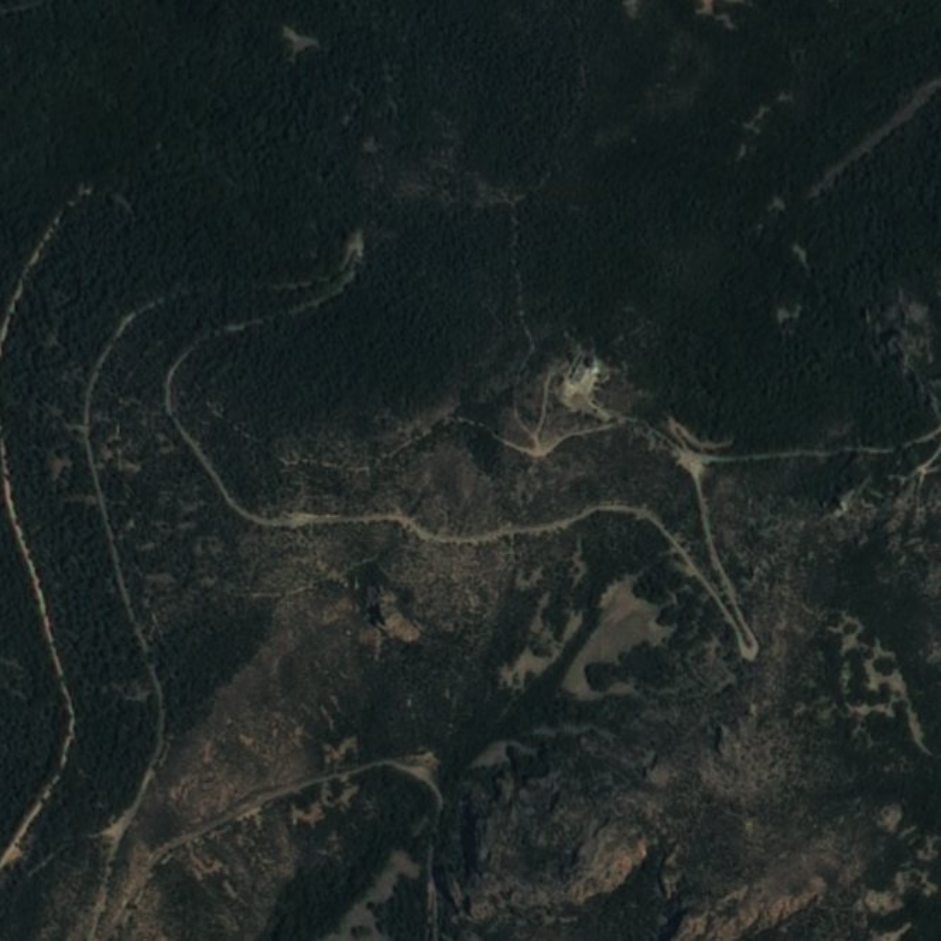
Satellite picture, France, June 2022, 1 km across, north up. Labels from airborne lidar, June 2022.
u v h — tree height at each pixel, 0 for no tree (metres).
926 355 7
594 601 11
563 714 8
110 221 14
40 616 10
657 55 6
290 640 0
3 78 11
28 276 9
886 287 12
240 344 12
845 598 6
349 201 6
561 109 13
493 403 7
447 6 8
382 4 10
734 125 8
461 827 6
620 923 10
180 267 18
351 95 5
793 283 15
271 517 6
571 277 10
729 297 13
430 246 13
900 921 11
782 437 7
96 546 13
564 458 0
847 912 7
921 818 5
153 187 17
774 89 9
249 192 16
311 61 10
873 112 10
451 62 10
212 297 17
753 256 10
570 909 8
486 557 0
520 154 12
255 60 14
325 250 8
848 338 9
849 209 5
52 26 15
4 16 8
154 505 8
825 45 11
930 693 5
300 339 13
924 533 6
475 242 12
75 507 10
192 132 18
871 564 12
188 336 13
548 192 9
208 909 9
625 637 0
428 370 12
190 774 0
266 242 16
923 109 8
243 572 9
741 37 10
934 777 7
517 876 0
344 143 7
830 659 6
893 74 11
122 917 0
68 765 8
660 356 8
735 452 6
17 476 7
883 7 8
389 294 7
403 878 6
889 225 14
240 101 13
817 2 11
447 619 6
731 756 0
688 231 9
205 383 10
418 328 13
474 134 7
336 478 7
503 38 6
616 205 11
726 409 9
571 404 0
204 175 13
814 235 14
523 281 9
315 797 10
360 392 13
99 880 6
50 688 11
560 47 13
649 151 10
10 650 8
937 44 15
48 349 9
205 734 0
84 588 14
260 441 12
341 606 0
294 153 7
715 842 7
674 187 14
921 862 8
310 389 12
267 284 10
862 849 0
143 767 6
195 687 6
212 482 6
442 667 9
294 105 17
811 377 11
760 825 0
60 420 7
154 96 12
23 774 15
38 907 6
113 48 13
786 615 0
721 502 0
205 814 0
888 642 7
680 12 9
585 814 0
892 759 5
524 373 7
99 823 8
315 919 7
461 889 7
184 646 14
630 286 9
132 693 7
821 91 9
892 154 7
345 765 8
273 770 0
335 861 11
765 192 12
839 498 16
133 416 7
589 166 5
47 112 11
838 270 9
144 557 10
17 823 8
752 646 0
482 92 10
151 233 18
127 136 14
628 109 6
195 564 6
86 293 15
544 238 8
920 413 8
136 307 10
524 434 0
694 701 7
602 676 11
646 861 10
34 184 11
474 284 9
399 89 10
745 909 0
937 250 9
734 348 13
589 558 10
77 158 13
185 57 13
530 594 6
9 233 9
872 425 11
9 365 11
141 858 0
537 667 0
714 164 12
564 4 9
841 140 10
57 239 5
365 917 0
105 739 6
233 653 7
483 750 6
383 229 8
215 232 14
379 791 9
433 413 0
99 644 15
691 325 18
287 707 0
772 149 17
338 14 8
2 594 9
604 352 10
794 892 0
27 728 10
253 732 0
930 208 15
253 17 7
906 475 6
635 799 0
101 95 12
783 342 14
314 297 9
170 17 14
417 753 7
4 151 13
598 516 9
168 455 6
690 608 7
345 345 15
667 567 10
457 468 0
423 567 0
